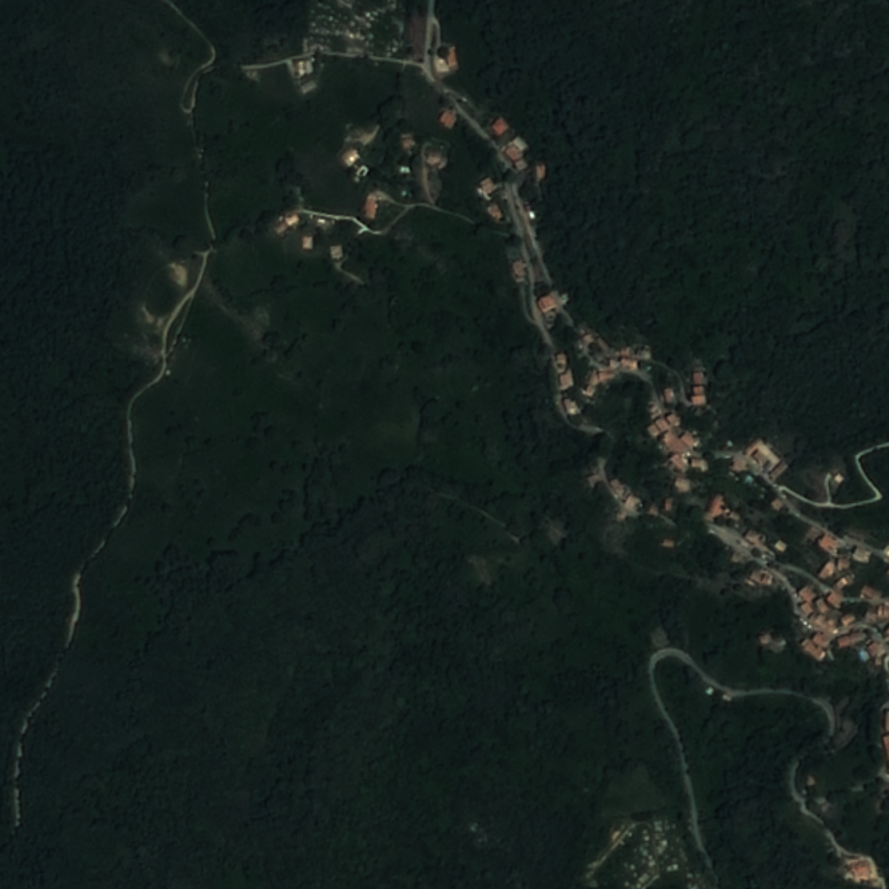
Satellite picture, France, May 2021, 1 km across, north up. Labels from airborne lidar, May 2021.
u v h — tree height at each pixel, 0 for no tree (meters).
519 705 11
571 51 8
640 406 9
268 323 0
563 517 10
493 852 8
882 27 9
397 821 9
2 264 7
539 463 8
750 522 6
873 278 6
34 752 7
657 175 9
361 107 0
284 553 11
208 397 0
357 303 11
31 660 10
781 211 9
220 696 17
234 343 0
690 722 10
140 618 6
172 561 10
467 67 0
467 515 11
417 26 0
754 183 15
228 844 11
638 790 0
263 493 0
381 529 9
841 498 5
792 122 12
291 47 0
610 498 16
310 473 6
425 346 9
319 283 7
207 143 7
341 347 0
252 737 14
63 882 15
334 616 13
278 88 0
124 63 0
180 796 7
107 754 0
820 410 6
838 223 13
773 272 10
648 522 14
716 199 10
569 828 12
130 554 0
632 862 0
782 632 5
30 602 6
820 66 8
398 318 10
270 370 0
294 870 6
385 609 7
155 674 12
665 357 8
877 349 7
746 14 8
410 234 6
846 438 7
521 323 0
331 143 0
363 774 9
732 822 16
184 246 11
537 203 12
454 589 14
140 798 8
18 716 6
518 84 17
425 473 17
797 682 7
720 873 10
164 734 14
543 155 10
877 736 19
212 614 14
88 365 6
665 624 11
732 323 9
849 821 11
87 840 13
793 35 8
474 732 12
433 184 0
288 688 9
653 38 7
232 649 14
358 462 0
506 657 10
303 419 0
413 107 0
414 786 10
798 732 9
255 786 14
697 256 7
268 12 13
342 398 0
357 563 11
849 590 9
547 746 9
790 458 6
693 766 7
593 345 7
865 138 9
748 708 8
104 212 6
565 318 14
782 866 10
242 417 0
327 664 14
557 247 9
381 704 16
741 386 8
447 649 12
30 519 8
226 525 0
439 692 8
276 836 15
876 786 12
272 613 11
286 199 9
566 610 11
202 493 11
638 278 8
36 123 7
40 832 6
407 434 0
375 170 10
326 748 13
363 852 7
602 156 9
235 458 0
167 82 0
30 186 5
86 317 6
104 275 7
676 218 6
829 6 7
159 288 0
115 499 6
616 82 7
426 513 8
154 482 0
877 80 12
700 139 16
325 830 7
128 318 0
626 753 6
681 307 10
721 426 10
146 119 0
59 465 8
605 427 9
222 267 0
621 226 10
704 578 9
